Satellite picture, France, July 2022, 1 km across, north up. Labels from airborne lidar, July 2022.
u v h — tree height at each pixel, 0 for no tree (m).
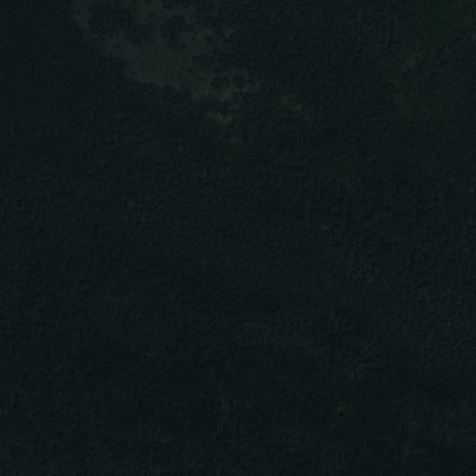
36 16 27
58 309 20
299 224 27
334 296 23
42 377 33
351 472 27
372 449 28
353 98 16
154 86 13
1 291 14
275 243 22
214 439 33
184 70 0
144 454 23
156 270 12
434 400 19
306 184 21
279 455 21
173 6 15
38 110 18
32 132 25
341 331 9
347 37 10
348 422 30
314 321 7
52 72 23
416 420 16
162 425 17
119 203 10
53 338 24
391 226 35
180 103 19
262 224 9
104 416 30
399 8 18
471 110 21
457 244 30
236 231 21
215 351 8
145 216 17
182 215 8
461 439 8
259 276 9
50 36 27
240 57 21
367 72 10
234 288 14
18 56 25
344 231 30
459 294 42
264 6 21
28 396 8
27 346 28
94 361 20
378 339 9
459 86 13
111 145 28
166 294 21
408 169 25
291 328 11
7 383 26
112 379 21
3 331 8
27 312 19
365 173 10
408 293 17
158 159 10
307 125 24
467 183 11
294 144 16
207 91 0
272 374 16
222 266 14
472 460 17
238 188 22
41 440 17
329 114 13
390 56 7
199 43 0
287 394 25
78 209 12
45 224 30
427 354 32
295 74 22
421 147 16
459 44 17
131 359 13
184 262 14
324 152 9
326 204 8
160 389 25
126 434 7
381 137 17
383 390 19
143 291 17
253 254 23
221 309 17
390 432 29
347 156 10
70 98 21
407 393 22
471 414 14
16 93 21
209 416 24
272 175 21
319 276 26
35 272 21
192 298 15
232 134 16
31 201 33
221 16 14
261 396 24
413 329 31
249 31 18
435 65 19
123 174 10
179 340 18
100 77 27
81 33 18
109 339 23
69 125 13
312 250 33
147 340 10
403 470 18
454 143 21
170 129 13
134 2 9
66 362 20
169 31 10
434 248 33
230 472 18
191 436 28
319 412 23
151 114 13
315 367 19
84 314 22
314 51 25
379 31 15
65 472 14
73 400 8
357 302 21
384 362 19
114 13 12
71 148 18
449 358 32
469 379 28
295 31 19
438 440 20
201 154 20
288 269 20
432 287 34
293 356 17
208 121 11
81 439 19
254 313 10
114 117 10
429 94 11
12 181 35
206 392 26
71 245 24
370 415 24
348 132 19
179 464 12
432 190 10
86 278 10
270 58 24
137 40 14
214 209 19
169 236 24
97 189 30
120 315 20
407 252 20
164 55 0
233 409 23
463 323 28
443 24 12
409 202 35
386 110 13
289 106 13
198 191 13
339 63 18
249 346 18
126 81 6
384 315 28
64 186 34
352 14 7
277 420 15
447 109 15
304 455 23
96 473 14
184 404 16
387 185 29
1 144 27
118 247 15
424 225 36
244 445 20
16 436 18
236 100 9
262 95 6
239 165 15
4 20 21
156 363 23
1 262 22
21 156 27
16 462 7
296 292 14
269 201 20
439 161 15
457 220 19
